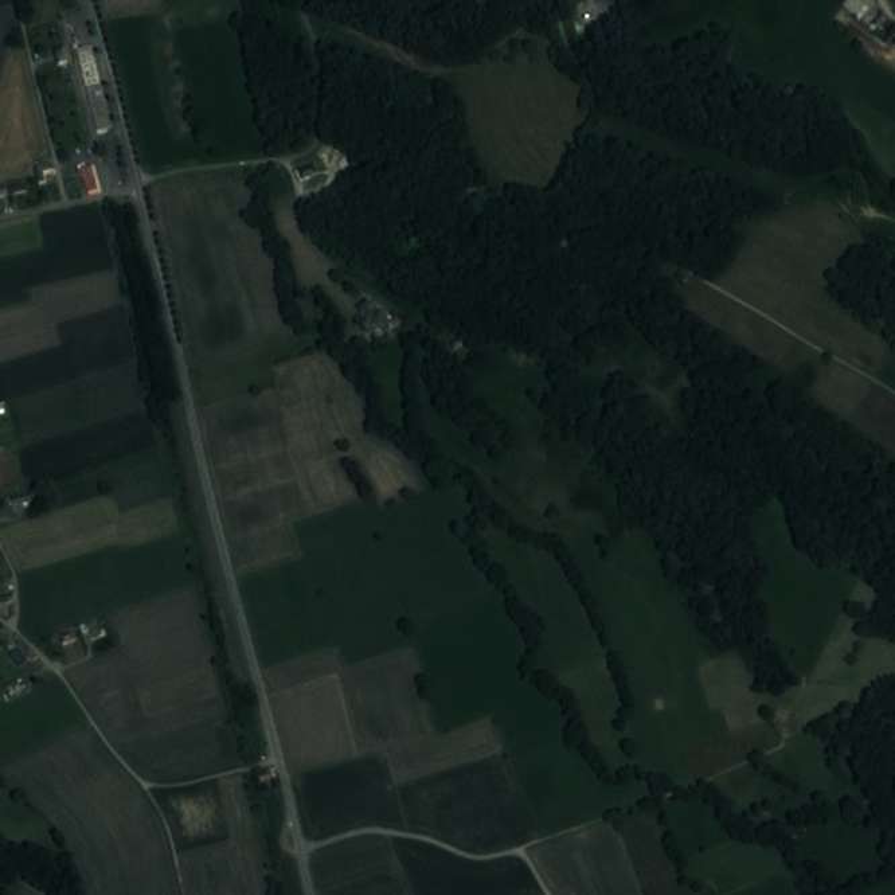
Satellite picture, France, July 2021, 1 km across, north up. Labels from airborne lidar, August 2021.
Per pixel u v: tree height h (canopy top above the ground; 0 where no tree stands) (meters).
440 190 27
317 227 15
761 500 25
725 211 20
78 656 0
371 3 22
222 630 8
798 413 17
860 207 0
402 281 18
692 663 0
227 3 0
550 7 28
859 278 24
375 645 0
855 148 17
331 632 0
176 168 0
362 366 22
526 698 0
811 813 17
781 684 16
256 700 7
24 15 21
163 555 0
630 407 27
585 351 22
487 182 16
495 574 18
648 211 26
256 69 20
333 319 16
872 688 14
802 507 32
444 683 0
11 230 0
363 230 17
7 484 0
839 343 0
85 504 0
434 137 28
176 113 0
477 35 24
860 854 0
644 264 20
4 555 0
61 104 0
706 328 17
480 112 0
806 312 0
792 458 30
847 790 0
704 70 22
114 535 0
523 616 17
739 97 29
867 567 21
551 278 25
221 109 0
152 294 21
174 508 0
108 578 0
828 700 0
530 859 0
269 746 0
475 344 24
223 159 0
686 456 26
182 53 0
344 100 24
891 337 16
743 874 0
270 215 13
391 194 23
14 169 0
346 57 28
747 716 0
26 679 0
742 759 0
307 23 0
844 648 0
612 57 22
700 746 0
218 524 0
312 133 18
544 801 0
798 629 0
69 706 0
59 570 0
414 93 29
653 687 0
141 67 0
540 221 23
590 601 21
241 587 0
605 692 0
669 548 9
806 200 0
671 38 0
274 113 21
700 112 29
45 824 0
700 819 0
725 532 31
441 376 21
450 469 21
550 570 0
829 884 20
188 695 0
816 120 12
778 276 0
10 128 0
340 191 8
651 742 0
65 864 22
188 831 0
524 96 0
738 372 25
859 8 0
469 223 25
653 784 13
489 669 0
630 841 0
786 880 0
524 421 0
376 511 0
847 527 29
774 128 21
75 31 0
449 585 0
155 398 14
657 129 23
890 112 0
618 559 0
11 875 25
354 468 17
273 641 0
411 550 0
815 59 0
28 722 0
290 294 20
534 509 0
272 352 0
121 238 15
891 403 0
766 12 0
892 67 0
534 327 28
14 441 0
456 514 0
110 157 0
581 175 28
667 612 0
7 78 0
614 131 0
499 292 29
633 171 30
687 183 22
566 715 13
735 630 14
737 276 0
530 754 0
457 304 30
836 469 14
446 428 0
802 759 0
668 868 0
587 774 0
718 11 0
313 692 0
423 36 22
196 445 0
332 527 0
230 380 0
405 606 0
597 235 22
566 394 28
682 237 12
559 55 14
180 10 0
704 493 27
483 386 0
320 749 0
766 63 0
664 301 26
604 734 0
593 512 0
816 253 0
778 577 0
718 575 19
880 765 28
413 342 15
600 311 7
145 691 0
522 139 0
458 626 0
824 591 0
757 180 0
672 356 11
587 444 23
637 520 13
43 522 0
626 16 29
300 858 0
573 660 0
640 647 0
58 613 0
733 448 31
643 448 32
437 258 26
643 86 21
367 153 30
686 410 15
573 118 0
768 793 0
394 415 0
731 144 21
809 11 0
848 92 0
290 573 0
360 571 0
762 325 0
